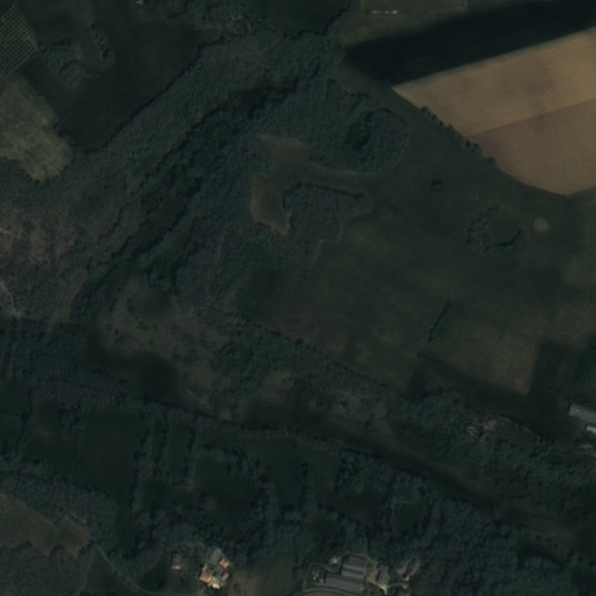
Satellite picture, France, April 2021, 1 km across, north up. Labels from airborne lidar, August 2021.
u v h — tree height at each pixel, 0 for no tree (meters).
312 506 23
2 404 0
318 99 19
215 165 21
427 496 28
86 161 14
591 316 0
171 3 15
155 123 18
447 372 0
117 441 0
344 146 17
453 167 0
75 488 22
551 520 0
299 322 0
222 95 22
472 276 0
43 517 11
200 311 11
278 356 18
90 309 8
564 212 0
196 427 20
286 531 24
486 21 0
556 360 0
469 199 0
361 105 19
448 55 0
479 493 0
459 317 0
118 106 0
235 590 6
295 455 0
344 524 20
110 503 25
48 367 24
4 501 0
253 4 0
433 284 0
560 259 0
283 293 0
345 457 18
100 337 0
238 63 13
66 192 13
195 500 0
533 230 0
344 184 0
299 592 0
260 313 0
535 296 0
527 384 0
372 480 0
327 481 0
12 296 13
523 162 0
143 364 0
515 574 20
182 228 8
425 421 22
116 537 15
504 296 0
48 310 22
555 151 0
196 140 22
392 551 20
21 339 12
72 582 20
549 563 24
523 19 0
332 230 18
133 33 0
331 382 27
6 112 0
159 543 25
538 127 0
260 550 25
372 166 18
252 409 0
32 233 5
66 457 0
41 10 0
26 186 13
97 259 15
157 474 14
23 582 22
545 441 8
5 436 0
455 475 0
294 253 17
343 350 0
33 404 14
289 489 0
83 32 0
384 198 0
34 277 11
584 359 0
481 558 19
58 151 0
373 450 0
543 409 0
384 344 0
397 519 10
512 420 7
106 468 0
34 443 0
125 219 16
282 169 0
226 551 11
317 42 17
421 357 8
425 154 0
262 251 10
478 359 0
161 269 5
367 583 9
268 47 15
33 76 0
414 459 0
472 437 10
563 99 0
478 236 12
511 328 0
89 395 24
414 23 0
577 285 0
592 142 0
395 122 21
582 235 0
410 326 0
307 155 0
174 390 0
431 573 24
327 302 0
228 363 8
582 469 14
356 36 0
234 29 16
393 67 0
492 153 0
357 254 0
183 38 0
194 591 0
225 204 22
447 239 0
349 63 0
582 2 0
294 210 18
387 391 12
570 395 0
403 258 0
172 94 17
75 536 0
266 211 0
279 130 17
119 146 16
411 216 0
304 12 0
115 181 23
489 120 0
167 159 21
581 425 0
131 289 0
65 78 11
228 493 0
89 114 0
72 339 13
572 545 0
